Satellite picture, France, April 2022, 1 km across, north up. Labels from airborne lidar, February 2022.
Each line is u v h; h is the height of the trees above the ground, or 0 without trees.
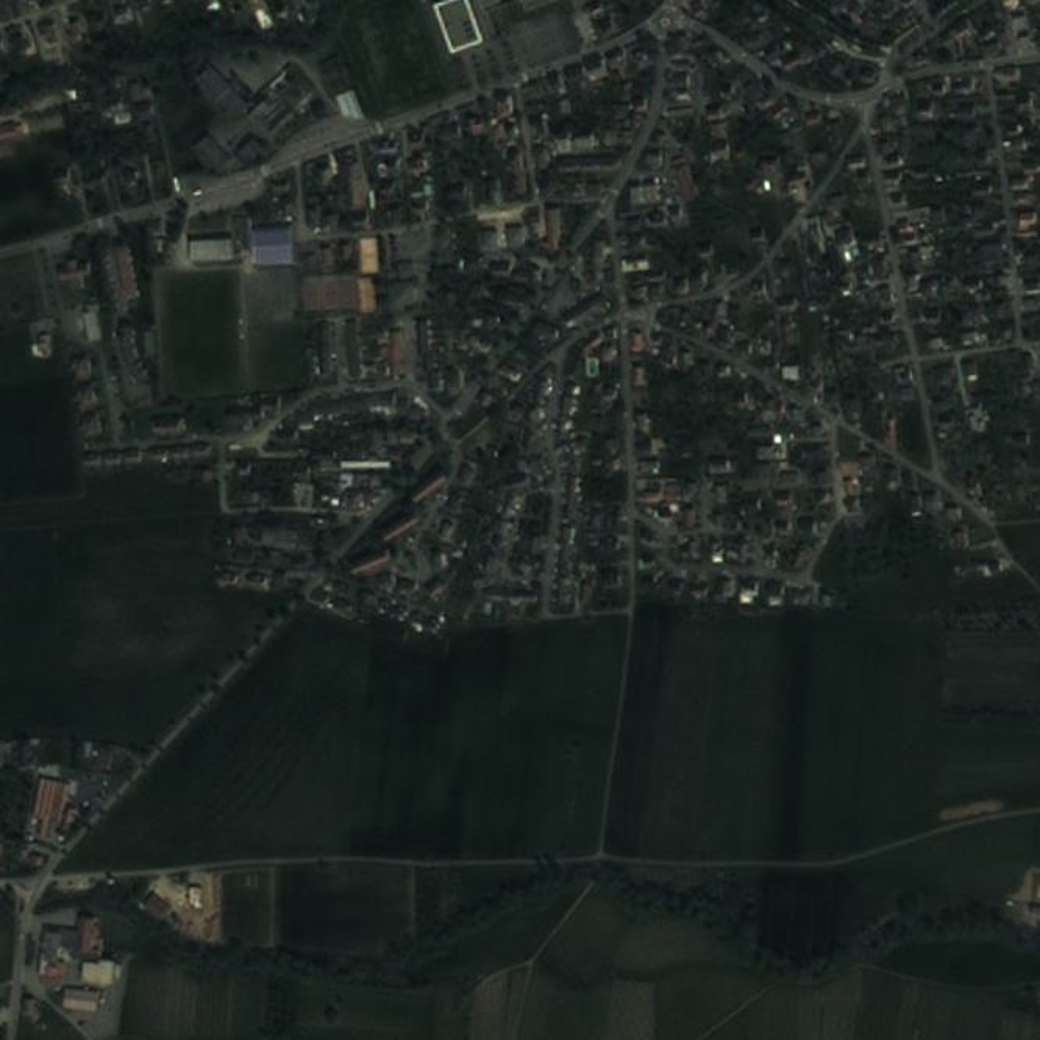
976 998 0
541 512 10
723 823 0
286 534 0
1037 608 7
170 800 0
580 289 8
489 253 0
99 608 0
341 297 0
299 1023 0
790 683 0
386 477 7
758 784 0
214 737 0
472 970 0
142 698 0
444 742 0
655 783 0
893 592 0
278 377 0
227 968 10
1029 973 0
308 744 0
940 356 0
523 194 8
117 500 0
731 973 0
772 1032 0
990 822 0
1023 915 0
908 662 0
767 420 0
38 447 0
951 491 0
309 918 0
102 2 8
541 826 0
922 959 0
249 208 9
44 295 0
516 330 0
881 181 0
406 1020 0
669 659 0
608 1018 0
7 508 0
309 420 0
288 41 19
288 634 0
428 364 0
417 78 0
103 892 15
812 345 0
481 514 5
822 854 0
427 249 0
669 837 0
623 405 13
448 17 0
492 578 0
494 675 0
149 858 0
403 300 0
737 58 0
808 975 18
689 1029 0
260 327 0
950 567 0
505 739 0
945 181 6
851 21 10
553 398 0
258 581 0
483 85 8
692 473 9
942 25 0
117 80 15
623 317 0
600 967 0
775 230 0
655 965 0
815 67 6
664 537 0
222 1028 0
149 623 0
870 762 0
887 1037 0
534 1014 0
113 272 0
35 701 0
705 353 0
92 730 0
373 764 0
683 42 0
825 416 0
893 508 0
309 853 0
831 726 0
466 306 10
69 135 7
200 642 0
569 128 8
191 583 0
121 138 7
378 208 7
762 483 0
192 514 0
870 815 0
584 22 0
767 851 0
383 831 0
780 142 0
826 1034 0
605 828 0
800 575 0
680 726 0
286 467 7
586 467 0
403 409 0
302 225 0
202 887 0
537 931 0
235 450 0
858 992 0
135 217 0
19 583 0
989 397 8
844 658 0
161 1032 0
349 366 0
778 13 19
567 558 0
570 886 12
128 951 0
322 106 13
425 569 0
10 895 8
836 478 0
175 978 0
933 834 0
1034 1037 0
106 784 0
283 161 0
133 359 0
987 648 0
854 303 0
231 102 0
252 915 0
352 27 0
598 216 0
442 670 0
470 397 0
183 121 0
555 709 0
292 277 0
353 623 0
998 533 0
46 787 0
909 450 0
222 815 0
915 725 0
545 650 0
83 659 0
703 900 18
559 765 0
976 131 0
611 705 0
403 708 0
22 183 0
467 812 0
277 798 0
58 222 0
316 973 11
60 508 0
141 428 0
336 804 0
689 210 0
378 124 0
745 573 0
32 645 0
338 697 0
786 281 0
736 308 8
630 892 19
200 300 0
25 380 0
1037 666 0
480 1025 0
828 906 0
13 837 6
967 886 0
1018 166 0
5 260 0
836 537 0
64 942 0
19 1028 0
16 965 0
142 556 0
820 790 0
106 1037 0
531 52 0
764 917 0
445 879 0
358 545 0
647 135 0
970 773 0
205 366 0
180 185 0
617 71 8
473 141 8
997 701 0
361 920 0
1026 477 0
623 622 0
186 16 7
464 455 0
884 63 0
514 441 9
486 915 16
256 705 0
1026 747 0
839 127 0
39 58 0
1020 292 0
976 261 6
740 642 0
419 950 16
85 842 0
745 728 0
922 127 10
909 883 0
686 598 0
